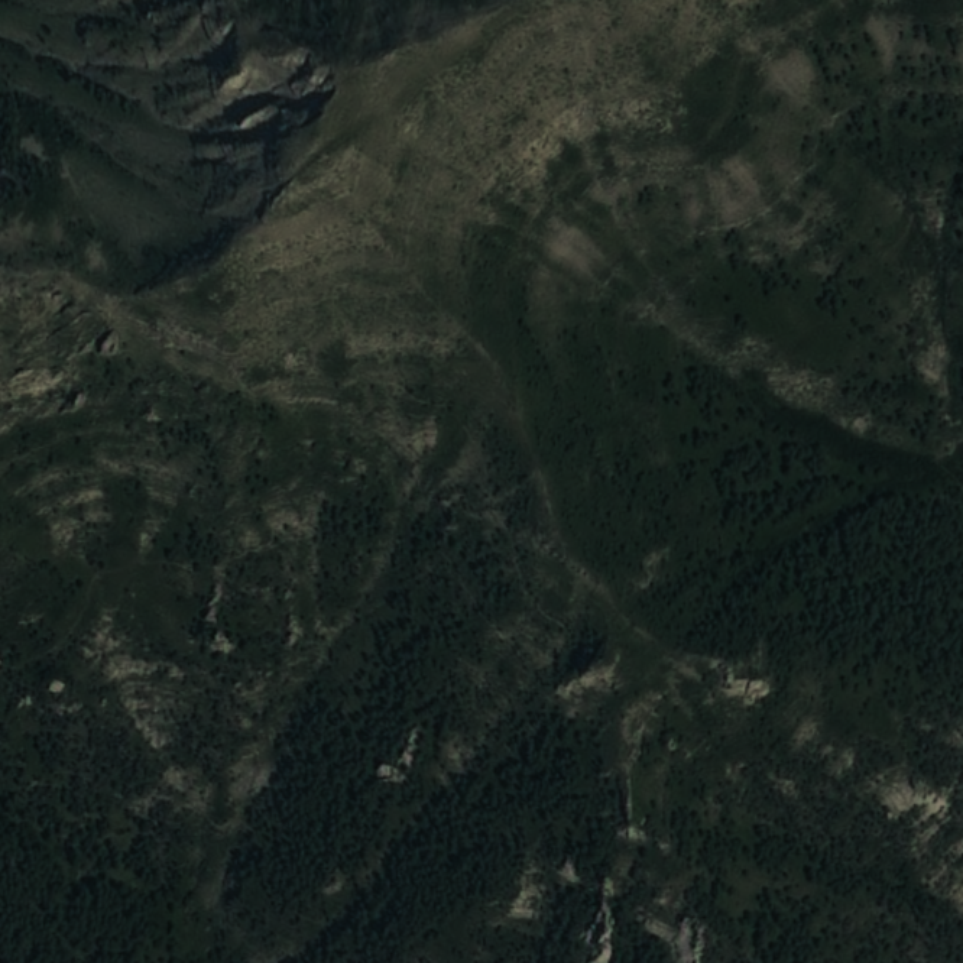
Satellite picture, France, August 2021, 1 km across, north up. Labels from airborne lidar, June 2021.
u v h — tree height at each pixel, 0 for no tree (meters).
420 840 19
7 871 26
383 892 21
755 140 0
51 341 0
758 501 22
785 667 9
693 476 10
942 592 22
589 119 0
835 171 0
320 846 24
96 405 0
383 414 0
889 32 0
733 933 14
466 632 10
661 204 0
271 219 0
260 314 0
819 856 25
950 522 26
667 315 0
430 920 23
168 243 0
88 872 7
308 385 0
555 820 13
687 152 0
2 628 0
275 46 0
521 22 0
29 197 10
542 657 0
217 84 0
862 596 21
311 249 0
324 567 7
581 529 0
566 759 21
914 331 7
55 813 15
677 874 0
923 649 25
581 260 0
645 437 10
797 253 0
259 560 7
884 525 20
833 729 0
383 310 0
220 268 0
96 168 0
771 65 0
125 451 0
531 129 0
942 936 7
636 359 0
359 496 11
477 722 0
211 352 0
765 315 0
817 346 0
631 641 0
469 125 0
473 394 0
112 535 0
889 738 0
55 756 13
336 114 0
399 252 0
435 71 0
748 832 0
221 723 7
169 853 10
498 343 0
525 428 0
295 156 0
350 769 25
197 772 0
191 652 0
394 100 0
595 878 11
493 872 18
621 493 7
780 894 16
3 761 24
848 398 18
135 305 0
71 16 0
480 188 0
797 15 0
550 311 0
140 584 0
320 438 0
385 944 22
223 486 9
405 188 0
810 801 7
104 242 0
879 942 6
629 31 0
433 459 0
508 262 0
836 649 12
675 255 0
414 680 12
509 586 7
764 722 11
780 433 13
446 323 0
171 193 0
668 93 0
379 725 22
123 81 0
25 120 0
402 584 9
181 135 0
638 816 0
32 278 0
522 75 0
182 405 0
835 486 14
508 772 19
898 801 0
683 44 0
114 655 0
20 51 6
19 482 0
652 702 0
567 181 0
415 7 0
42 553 0
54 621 0
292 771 30
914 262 0
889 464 5
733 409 0
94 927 30
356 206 0
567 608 0
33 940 27
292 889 24
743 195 0
